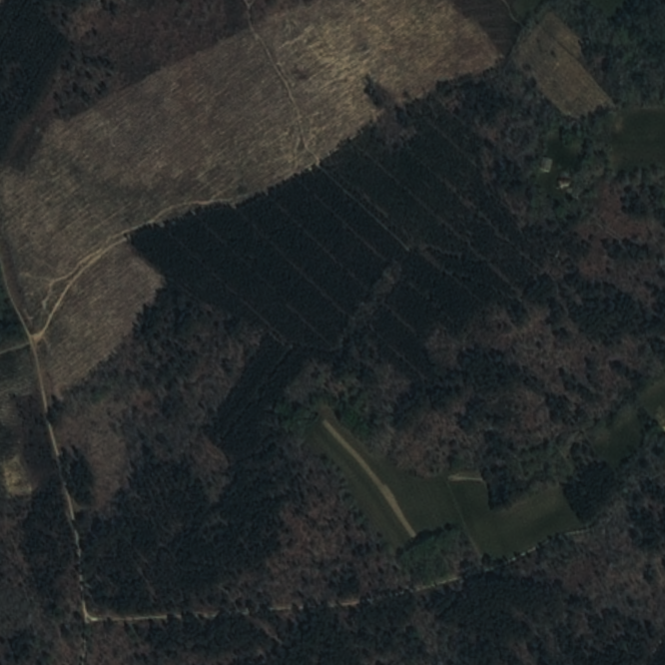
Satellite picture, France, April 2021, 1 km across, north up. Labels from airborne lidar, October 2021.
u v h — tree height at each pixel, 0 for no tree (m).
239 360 8
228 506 17
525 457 15
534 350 9
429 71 0
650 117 0
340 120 0
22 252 0
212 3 9
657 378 16
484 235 14
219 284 14
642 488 7
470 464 18
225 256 14
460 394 22
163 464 6
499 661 25
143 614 19
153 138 0
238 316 12
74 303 0
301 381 10
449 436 9
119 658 15
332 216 12
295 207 13
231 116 0
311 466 9
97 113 0
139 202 0
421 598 9
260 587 15
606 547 7
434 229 12
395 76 0
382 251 12
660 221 23
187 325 26
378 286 22
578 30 7
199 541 13
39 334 0
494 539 0
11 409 0
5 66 17
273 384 15
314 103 0
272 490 15
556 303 11
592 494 19
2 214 0
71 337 0
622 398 12
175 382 14
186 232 13
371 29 0
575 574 13
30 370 0
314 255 12
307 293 12
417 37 0
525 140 8
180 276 12
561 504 0
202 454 10
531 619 25
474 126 14
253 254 15
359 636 6
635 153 0
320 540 9
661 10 25
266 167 0
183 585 17
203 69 0
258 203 13
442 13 0
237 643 22
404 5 0
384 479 0
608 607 13
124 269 0
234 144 0
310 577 7
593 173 20
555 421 20
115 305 0
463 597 6
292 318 12
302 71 0
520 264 12
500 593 31
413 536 0
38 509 9
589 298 20
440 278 14
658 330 29
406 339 10
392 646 29
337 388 7
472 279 13
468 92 18
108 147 0
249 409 15
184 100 0
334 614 27
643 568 15
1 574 7
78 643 11
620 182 9
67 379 0
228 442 13
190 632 18
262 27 0
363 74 0
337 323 11
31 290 0
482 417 27
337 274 14
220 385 9
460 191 13
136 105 0
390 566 11
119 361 17
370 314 8
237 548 13
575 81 0
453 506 0
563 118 10
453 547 18
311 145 0
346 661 27
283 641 24
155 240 14
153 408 15
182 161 0
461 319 12
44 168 0
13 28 21
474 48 0
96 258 0
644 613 7
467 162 13
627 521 9
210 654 17
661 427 12
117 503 15
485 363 23
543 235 10
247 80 0
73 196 0
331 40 0
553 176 0
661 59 27
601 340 20
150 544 16
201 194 0
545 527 0
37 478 0
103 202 0
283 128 0
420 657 21
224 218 13
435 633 17
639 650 18
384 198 14
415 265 12
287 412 12
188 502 13
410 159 15
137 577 18
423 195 14
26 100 20
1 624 7
